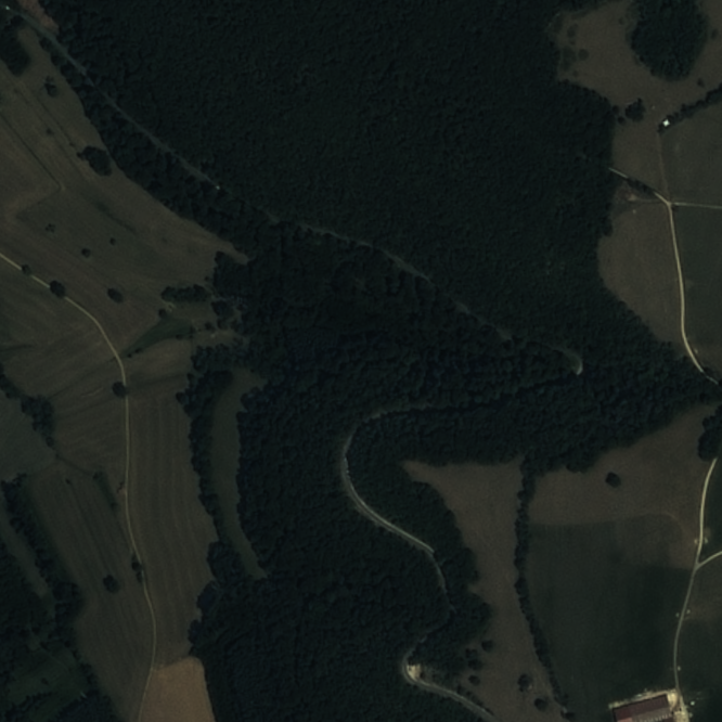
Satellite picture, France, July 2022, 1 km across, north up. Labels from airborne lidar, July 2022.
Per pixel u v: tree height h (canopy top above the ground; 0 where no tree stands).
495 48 17
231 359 25
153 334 0
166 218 0
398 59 15
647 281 0
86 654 0
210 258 0
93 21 31
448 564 18
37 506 0
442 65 13
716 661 0
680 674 0
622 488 0
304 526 23
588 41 0
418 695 12
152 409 0
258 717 21
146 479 0
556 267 6
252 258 32
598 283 6
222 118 19
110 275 0
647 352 13
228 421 0
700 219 0
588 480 0
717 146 0
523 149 11
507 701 0
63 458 0
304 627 27
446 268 19
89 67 26
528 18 16
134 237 0
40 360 0
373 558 21
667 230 0
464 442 18
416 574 21
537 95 13
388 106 18
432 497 12
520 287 10
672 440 0
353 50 13
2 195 0
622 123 14
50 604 0
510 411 21
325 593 34
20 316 0
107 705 20
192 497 0
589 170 15
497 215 10
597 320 15
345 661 19
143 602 0
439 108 15
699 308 0
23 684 0
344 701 17
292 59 13
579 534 0
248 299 23
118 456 0
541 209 11
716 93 11
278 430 28
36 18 0
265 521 30
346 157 12
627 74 0
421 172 12
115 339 0
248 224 11
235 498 0
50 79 6
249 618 12
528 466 9
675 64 21
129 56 26
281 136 9
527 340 18
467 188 10
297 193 16
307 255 25
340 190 18
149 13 14
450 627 19
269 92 15
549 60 11
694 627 0
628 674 0
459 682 0
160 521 0
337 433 20
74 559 0
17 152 0
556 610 0
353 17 15
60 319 0
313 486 19
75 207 0
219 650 13
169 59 17
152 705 0
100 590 0
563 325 28
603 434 19
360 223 16
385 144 15
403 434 18
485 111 11
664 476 0
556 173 14
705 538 0
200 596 0
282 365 8
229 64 15
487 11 11
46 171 0
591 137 16
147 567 0
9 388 17
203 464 25
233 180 23
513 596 0
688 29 18
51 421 17
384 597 33
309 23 13
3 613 13
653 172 0
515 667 0
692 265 0
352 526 17
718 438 16
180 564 0
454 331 9
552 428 20
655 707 0
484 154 16
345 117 9
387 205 17
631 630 0
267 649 22
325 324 11
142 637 0
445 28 11
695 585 0
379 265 32
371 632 22
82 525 0
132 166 32
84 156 9
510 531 0
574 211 12
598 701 0
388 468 12
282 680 31
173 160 23
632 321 12
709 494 0
